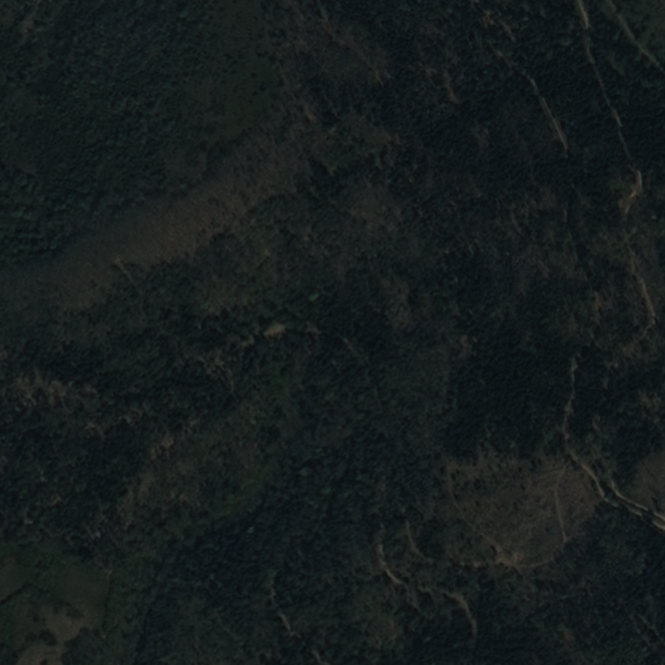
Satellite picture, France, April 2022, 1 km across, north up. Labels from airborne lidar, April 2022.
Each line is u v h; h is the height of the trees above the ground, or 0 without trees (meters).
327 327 27
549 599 15
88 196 10
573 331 23
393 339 32
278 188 16
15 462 29
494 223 27
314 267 22
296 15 21
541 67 26
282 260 27
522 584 11
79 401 25
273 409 29
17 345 19
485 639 19
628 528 21
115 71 7
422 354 21
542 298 22
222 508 24
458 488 10
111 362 19
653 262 25
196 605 16
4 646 18
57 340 16
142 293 19
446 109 32
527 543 0
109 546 22
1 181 10
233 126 0
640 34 33
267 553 23
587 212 26
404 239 19
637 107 28
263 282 24
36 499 10
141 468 26
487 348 23
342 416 29
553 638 21
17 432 23
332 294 24
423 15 32
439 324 23
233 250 22
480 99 28
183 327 18
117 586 9
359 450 22
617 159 27
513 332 21
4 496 31
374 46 24
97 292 20
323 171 22
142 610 22
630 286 24
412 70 31
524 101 20
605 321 20
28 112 0
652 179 18
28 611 0
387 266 22
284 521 25
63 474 25
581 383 22
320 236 24
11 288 20
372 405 25
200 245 19
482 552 7
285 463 23
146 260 17
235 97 0
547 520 0
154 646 23
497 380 23
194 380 20
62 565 14
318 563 19
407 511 23
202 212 21
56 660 0
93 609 0
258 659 24
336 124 22
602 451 29
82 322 20
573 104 26
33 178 9
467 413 21
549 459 19
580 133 24
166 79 7
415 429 20
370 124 7
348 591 12
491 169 22
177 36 14
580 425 29
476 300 24
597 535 23
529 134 23
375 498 24
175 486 25
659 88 22
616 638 19
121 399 23
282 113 19
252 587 24
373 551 21
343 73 22
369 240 21
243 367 26
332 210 19
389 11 30
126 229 21
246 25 0
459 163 25
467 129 25
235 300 26
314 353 29
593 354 24
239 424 21
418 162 20
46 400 27
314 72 22
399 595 24
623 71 14
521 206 25
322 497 25
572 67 27
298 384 25
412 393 22
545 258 24
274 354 25
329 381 29
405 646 18
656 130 29
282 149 23
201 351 19
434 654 21
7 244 11
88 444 31
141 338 17
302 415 27
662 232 23
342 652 22
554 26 24
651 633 15
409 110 27
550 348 23
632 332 13
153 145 7
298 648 12
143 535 26
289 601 21
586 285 15
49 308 20
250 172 25
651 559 12
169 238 18
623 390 24
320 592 21
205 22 6
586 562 18
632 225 26
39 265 19
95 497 22
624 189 24
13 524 25
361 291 28
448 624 24
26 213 12
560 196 23
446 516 8
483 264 24
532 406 23
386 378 23
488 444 24
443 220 22
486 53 32
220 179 21
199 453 25
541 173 22
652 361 25
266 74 0
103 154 10
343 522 28
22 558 8
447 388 19
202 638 20
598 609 20
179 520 20
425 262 21
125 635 18
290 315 22
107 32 8
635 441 32
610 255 25
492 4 32
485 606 22
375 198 20
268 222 15
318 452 26
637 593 21
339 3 30
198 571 20
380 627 18
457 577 24
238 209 19
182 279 19
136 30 9
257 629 24
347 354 27
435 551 9
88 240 19
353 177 24
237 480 25
